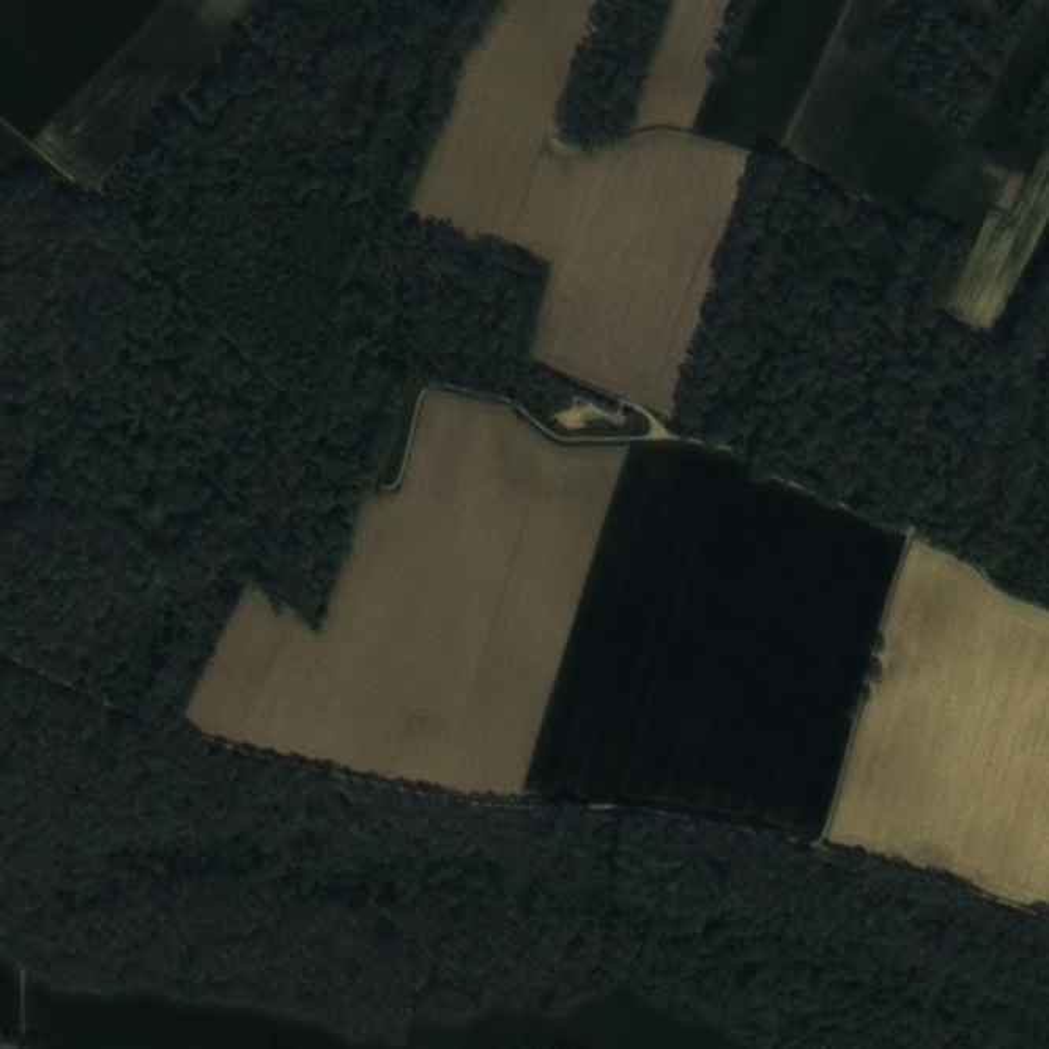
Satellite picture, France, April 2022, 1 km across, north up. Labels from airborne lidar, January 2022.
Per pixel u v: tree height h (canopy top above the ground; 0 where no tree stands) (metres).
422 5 25
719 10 0
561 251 0
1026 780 0
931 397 36
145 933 29
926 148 0
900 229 31
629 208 0
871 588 0
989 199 0
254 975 21
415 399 0
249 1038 0
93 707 28
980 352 25
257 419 32
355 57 38
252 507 35
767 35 0
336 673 0
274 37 33
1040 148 0
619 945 29
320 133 32
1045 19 0
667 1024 0
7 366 22
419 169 24
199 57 0
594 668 0
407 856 29
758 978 29
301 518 24
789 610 0
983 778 0
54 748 34
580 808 26
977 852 0
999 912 20
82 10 0
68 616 35
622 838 24
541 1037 0
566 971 32
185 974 9
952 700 0
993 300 0
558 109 0
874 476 13
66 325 32
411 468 0
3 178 18
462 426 0
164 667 31
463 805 23
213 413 34
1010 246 0
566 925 36
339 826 32
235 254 24
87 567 32
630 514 0
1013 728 0
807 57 0
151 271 29
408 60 35
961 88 36
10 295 35
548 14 0
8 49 0
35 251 29
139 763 36
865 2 0
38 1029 0
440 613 0
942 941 21
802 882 32
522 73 0
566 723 0
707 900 33
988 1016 27
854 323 34
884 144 0
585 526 0
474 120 0
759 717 0
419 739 0
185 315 27
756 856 33
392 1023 31
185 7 0
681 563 0
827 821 0
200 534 35
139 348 28
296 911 35
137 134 0
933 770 0
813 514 0
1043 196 0
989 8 0
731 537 0
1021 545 26
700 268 0
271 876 27
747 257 28
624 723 0
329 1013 24
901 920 32
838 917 30
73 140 0
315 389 24
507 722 0
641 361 0
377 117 23
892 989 22
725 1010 26
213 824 28
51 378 30
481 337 32
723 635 0
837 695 0
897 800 0
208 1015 0
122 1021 0
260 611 0
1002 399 34
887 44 12
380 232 33
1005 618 0
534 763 0
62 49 0
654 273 0
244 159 24
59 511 33
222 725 0
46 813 30
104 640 12
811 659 0
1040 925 25
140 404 31
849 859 22
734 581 0
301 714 0
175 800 29
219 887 34
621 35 27
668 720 0
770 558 0
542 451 0
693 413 27
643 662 0
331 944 38
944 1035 28
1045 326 34
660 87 0
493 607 0
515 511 0
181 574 36
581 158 0
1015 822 0
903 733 0
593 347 0
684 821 26
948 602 0
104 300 35
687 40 0
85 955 32
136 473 34
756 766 0
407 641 0
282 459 31
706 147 0
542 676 0
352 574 0
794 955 29
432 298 35
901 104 0
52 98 0
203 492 34
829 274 35
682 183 0
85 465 25
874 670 14
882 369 32
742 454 14
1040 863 0
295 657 0
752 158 0
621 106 31
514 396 26
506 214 0
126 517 33
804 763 0
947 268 28
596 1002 0
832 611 0
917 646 0
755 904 31
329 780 30
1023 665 0
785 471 26
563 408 0
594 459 0
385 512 0
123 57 0
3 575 31
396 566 0
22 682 34
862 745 0
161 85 0
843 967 27
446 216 0
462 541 0
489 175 0
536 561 0
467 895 28
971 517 29
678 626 0
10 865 27
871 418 31
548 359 0
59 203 30
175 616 17
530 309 29
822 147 0
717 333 26
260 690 0
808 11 0
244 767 25
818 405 30
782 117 0
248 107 34
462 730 0
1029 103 15
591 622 0
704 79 0
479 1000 35
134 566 35
